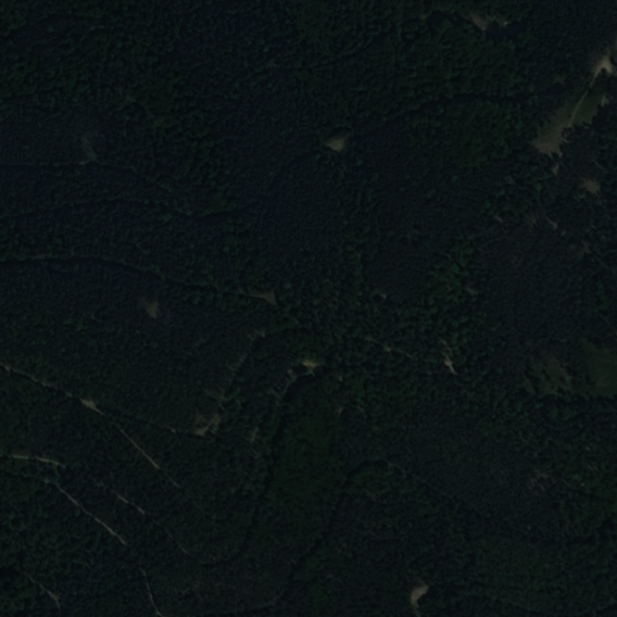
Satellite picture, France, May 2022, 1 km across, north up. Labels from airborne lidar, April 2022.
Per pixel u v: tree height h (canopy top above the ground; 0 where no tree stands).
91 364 22
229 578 21
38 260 8
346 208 24
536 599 25
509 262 31
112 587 22
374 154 30
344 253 26
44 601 33
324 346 28
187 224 28
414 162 20
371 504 33
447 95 31
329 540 28
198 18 23
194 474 18
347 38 28
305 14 16
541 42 25
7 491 23
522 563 19
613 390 0
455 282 30
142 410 21
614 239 28
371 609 25
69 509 24
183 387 22
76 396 23
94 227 20
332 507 20
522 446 24
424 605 20
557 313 33
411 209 22
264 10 23
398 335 24
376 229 17
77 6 28
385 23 32
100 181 22
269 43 29
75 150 24
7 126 20
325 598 28
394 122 26
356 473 30
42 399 22
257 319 18
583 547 30
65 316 24
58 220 23
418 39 27
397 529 29
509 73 32
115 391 21
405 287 25
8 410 23
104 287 23
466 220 23
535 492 24
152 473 19
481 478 16
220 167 30
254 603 24
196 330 26
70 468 15
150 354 25
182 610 14
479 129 29
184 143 26
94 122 24
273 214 27
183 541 16
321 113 21
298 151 27
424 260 32
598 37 21
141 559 18
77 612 21
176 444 18
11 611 15
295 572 22
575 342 8
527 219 28
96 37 26
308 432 31
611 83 22
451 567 37
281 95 26
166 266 24
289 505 25
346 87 23
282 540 28
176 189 34
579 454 30
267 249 30
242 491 15
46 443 23
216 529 16
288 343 25
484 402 22
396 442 29
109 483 22
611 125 34
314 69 13
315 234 26
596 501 33
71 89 25
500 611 24
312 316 31
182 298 16
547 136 0
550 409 33
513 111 26
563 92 26
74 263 23
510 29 0
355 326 27
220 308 22
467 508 30
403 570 23
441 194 24
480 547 20
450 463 19
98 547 28
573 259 33
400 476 27
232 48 21
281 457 25
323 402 28
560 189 26
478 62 30
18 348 21
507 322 29
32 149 25
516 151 25
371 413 30
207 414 18
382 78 31
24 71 21
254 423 21
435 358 21
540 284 33
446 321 28
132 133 37
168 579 17
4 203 27
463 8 36
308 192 25
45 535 35
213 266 35
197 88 40
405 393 25
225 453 17
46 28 25
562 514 24
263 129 28
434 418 25
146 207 23
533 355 23
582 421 37
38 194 32
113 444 18
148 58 26
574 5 22
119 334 23
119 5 24
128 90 26
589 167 30
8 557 29
